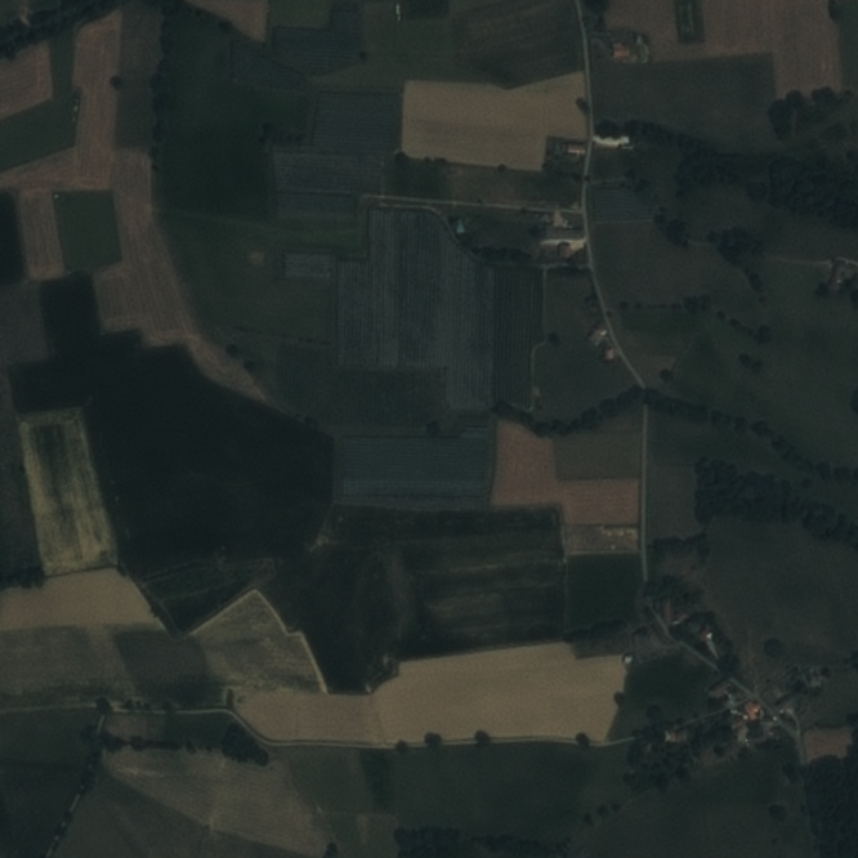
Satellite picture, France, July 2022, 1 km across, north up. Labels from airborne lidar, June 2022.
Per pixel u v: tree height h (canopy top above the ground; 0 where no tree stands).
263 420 0
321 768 0
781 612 0
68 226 0
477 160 0
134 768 0
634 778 11
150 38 0
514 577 0
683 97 0
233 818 0
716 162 8
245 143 0
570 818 0
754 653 0
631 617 0
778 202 18
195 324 0
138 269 0
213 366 0
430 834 14
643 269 0
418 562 0
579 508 0
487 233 0
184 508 0
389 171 0
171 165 0
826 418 0
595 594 0
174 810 0
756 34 0
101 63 0
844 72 0
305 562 0
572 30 0
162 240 0
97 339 0
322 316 0
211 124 0
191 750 11
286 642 0
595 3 18
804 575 0
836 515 23
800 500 24
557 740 0
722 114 0
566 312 0
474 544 0
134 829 0
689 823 0
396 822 0
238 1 0
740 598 0
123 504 0
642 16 0
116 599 0
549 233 0
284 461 0
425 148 0
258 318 0
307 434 0
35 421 0
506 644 0
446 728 0
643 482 0
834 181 7
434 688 0
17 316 0
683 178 17
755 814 0
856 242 0
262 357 0
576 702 0
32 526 0
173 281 0
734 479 21
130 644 0
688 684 0
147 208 0
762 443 0
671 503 0
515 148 0
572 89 0
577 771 0
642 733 8
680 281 0
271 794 0
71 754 0
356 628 0
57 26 11
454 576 0
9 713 0
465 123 0
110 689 0
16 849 0
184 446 0
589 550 0
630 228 0
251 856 0
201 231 0
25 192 0
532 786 0
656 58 0
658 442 0
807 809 12
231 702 0
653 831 0
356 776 0
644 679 0
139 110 0
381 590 0
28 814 0
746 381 0
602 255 0
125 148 0
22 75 0
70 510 0
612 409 18
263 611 0
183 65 0
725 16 0
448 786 0
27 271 0
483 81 0
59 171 0
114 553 0
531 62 0
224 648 0
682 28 0
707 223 0
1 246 0
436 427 14
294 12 0
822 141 0
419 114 0
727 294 0
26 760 0
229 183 0
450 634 0
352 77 0
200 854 0
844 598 0
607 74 0
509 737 0
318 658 0
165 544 0
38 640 0
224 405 0
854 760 19
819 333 0
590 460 0
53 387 0
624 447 0
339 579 0
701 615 11
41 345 0
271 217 0
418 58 0
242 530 0
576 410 0
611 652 0
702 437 0
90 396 0
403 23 0
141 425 0
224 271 0
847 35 0
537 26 0
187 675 0
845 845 23
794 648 0
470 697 0
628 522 0
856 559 0
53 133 0
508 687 0
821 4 0
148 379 0
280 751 0
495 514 0
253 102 0
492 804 0
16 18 0
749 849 0
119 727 0
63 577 0
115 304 0
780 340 0
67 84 0
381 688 0
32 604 0
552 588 0
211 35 0
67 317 0
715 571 0
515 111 0
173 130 0
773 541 0
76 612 0
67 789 0
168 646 0
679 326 0
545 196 0
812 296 0
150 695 0
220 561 0
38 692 0
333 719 0
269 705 0
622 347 0
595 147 0
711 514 11
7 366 0
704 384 0
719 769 0
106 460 0
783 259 0
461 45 0
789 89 0
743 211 0
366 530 0
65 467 0
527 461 0
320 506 0
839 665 0
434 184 0
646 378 0
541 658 0
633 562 0
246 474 0
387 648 0
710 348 0
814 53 0
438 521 0
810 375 0
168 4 17
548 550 0
